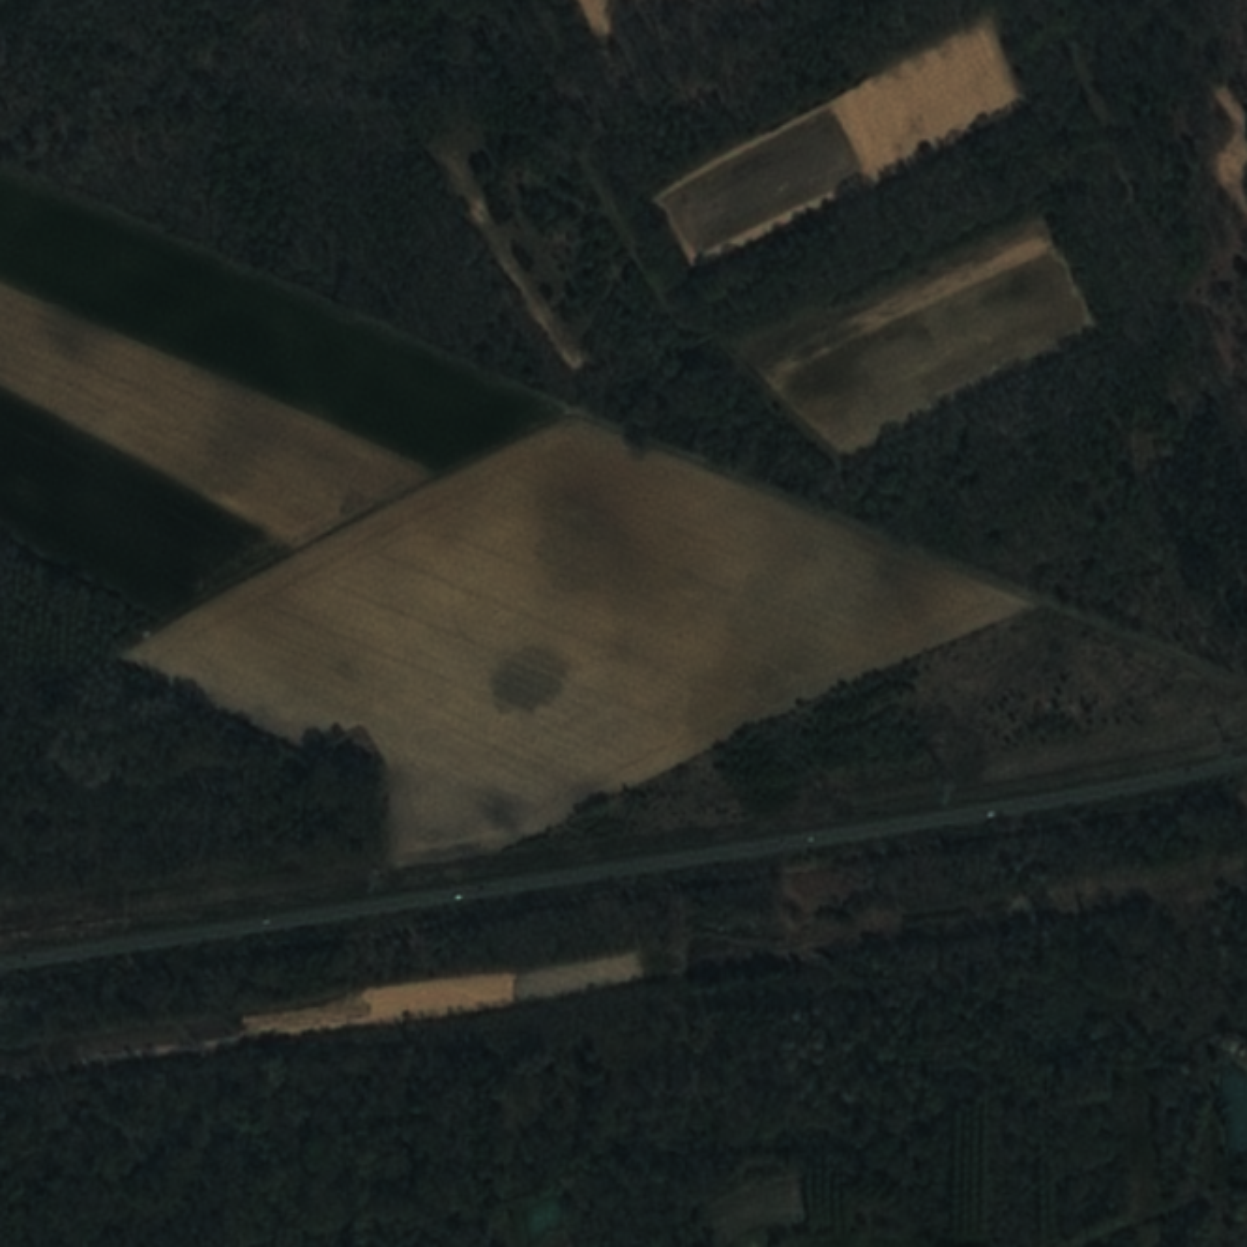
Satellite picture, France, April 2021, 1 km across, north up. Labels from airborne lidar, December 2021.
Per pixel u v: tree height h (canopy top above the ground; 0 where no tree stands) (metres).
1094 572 11
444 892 0
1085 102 28
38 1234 16
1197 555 19
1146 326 23
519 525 0
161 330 0
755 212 0
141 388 0
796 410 0
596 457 0
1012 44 19
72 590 24
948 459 16
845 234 23
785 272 21
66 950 0
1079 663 0
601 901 21
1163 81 17
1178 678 0
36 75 23
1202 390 15
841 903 9
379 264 19
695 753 0
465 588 0
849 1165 17
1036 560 7
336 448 0
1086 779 0
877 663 0
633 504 0
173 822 39
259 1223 32
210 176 17
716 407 20
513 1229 0
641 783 0
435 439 0
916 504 21
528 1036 12
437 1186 28
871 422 0
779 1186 0
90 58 24
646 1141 11
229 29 17
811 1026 12
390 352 0
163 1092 12
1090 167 27
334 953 22
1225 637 14
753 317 25
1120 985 23
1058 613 0
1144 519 20
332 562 0
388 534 0
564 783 0
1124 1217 19
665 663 0
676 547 0
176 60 15
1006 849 8
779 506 0
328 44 26
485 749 0
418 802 0
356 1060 19
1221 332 14
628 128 9
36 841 12
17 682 18
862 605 0
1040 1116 24
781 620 0
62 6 22
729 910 14
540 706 0
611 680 0
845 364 0
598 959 0
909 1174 20
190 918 0
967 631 0
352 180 24
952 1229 8
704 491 0
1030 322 0
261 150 16
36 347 0
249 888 0
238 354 0
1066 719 8
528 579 0
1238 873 0
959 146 21
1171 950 28
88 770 32
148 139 18
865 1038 12
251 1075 12
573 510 0
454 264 22
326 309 0
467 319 18
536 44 20
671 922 21
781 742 8
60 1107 27
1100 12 26
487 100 23
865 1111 7
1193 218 19
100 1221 30
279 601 0
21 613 22
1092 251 16
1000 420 21
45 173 9
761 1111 26
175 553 0
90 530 0
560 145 18
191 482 0
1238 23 18
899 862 21
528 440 0
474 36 20
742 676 0
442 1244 26
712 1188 25
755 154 0
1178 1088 12
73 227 0
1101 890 0
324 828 35
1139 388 20
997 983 24
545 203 16
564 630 0
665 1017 22
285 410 0
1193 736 0
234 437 0
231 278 0
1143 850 20
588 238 11
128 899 0
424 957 25
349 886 0
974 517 19
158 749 38
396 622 0
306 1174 21
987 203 24
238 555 0
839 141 0
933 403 0
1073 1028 6
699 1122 7
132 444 0
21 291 0
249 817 14
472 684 0
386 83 11
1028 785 0
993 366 0
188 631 0
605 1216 10
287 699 0
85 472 0
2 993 21
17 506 0
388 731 0
